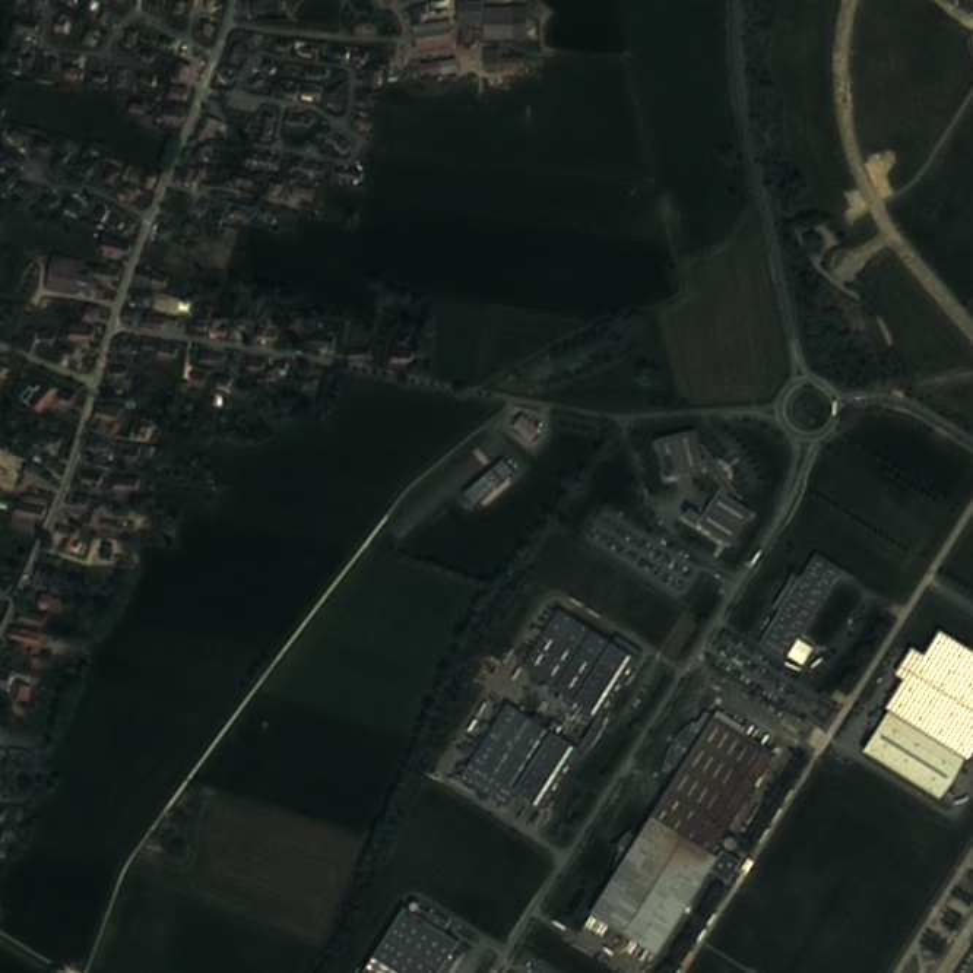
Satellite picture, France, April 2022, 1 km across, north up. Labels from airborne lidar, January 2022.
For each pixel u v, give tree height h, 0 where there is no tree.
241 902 0
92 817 0
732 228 0
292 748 0
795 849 0
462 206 0
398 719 0
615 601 0
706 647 0
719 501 0
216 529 0
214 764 0
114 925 0
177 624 0
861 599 0
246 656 0
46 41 0
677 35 0
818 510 0
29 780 19
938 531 0
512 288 0
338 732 0
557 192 0
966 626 0
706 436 0
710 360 0
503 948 0
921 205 0
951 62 0
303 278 0
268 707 0
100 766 0
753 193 0
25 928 0
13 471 0
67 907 0
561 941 0
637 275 0
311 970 0
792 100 0
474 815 0
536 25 0
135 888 0
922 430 0
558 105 0
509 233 0
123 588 19
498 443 0
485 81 0
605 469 0
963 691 0
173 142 15
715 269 0
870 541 0
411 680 0
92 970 0
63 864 0
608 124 0
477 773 0
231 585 0
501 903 0
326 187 0
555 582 0
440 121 0
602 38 0
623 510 0
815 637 0
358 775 0
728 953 0
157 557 0
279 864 0
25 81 6
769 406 0
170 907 0
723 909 0
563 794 0
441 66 0
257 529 0
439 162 0
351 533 0
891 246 0
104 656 0
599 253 0
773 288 0
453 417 0
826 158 0
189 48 0
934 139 0
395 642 0
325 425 0
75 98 0
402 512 0
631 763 0
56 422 12
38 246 0
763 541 0
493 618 6
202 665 0
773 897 0
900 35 0
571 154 0
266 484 0
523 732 0
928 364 0
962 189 0
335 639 0
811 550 0
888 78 0
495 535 0
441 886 0
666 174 0
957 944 0
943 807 0
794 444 0
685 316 0
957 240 0
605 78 0
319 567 0
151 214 0
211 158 6
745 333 0
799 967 0
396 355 0
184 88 0
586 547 0
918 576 0
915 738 0
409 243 0
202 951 0
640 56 0
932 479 0
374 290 0
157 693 0
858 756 0
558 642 0
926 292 0
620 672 0
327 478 0
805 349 0
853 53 0
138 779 0
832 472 0
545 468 0
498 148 0
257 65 0
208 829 0
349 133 0
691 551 0
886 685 0
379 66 0
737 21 0
